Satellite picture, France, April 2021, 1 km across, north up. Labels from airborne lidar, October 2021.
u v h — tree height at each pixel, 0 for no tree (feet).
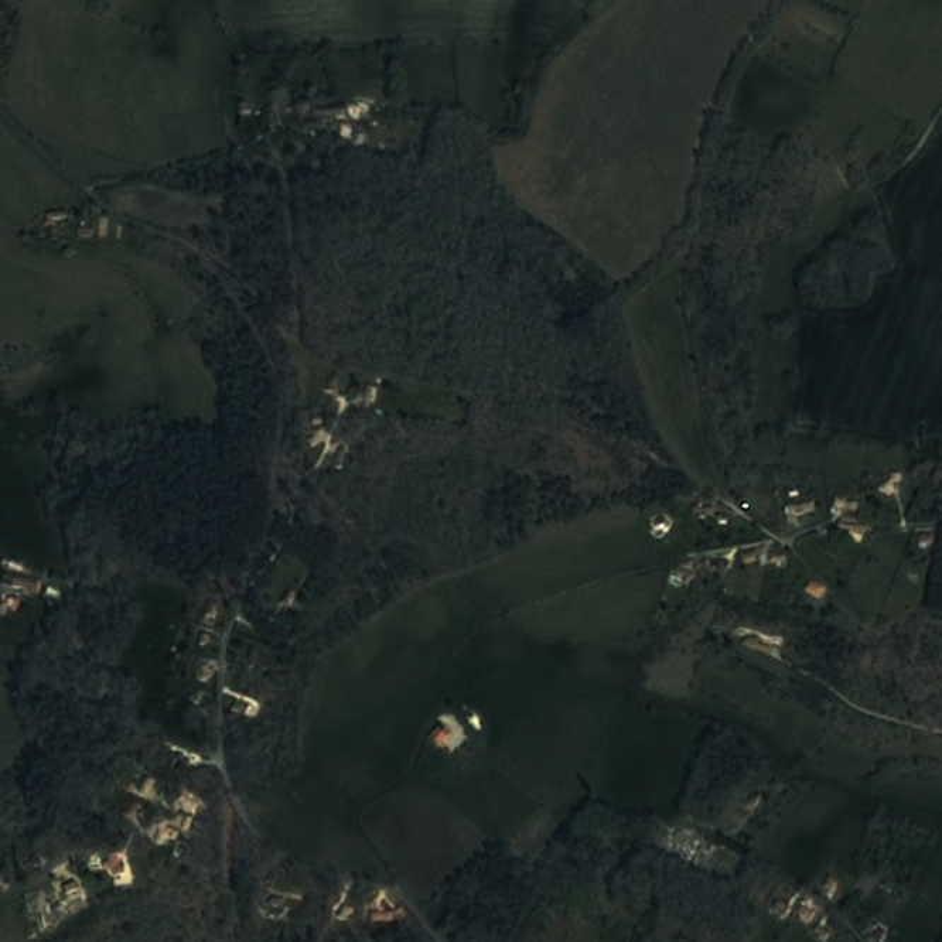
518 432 55
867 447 25
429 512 61
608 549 0
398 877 0
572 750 0
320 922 38
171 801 47
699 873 62
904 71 0
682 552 0
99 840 64
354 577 46
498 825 0
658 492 37
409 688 0
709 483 0
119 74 0
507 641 0
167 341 0
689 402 0
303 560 77
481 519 72
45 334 0
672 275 0
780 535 30
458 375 43
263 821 0
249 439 77
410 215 72
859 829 0
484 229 58
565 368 60
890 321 0
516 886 87
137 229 31
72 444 58
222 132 0
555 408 67
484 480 77
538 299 37
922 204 0
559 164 0
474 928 91
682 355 0
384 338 77
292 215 18
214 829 69
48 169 0
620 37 0
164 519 67
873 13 0
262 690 57
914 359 0
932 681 32
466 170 51
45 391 0
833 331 0
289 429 40
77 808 67
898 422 0
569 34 0
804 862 0
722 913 77
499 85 0
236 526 73
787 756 0
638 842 58
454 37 0
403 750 0
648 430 51
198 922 34
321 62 28
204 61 0
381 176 68
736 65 51
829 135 0
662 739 0
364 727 0
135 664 0
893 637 41
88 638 82
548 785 0
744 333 61
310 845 0
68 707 31
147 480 68
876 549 0
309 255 52
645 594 0
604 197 0
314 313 66
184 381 0
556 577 0
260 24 0
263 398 56
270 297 36
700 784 66
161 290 0
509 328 58
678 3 0
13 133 0
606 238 0
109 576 72
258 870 69
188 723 58
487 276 64
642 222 0
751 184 31
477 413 48
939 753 0
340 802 0
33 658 63
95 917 63
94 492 77
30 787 0
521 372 63
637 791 0
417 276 75
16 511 0
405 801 0
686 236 47
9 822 0
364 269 68
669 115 0
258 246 55
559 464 42
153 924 35
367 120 34
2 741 0
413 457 76
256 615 73
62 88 0
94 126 0
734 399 59
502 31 0
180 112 0
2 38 30
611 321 44
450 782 0
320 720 0
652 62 0
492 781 0
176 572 81
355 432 66
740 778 84
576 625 0
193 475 81
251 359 54
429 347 69
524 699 0
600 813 63
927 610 41
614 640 0
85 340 63
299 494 64
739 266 54
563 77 0
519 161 0
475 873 62
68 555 46
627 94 0
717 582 32
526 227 56
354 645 0
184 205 0
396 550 65
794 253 0
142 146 0
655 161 0
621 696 0
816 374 0
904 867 35
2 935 0
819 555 0
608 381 49
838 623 66
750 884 64
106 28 0
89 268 0
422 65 0
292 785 0
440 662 0
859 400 0
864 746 0
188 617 29
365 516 62
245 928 51
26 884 49
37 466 0
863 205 0
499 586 0
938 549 46
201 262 41
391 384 24
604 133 0
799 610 23
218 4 0
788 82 0
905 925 0
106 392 0
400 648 0
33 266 0
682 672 0
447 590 0
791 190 39
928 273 0
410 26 0
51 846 55
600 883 63
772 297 0
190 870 38
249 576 63
